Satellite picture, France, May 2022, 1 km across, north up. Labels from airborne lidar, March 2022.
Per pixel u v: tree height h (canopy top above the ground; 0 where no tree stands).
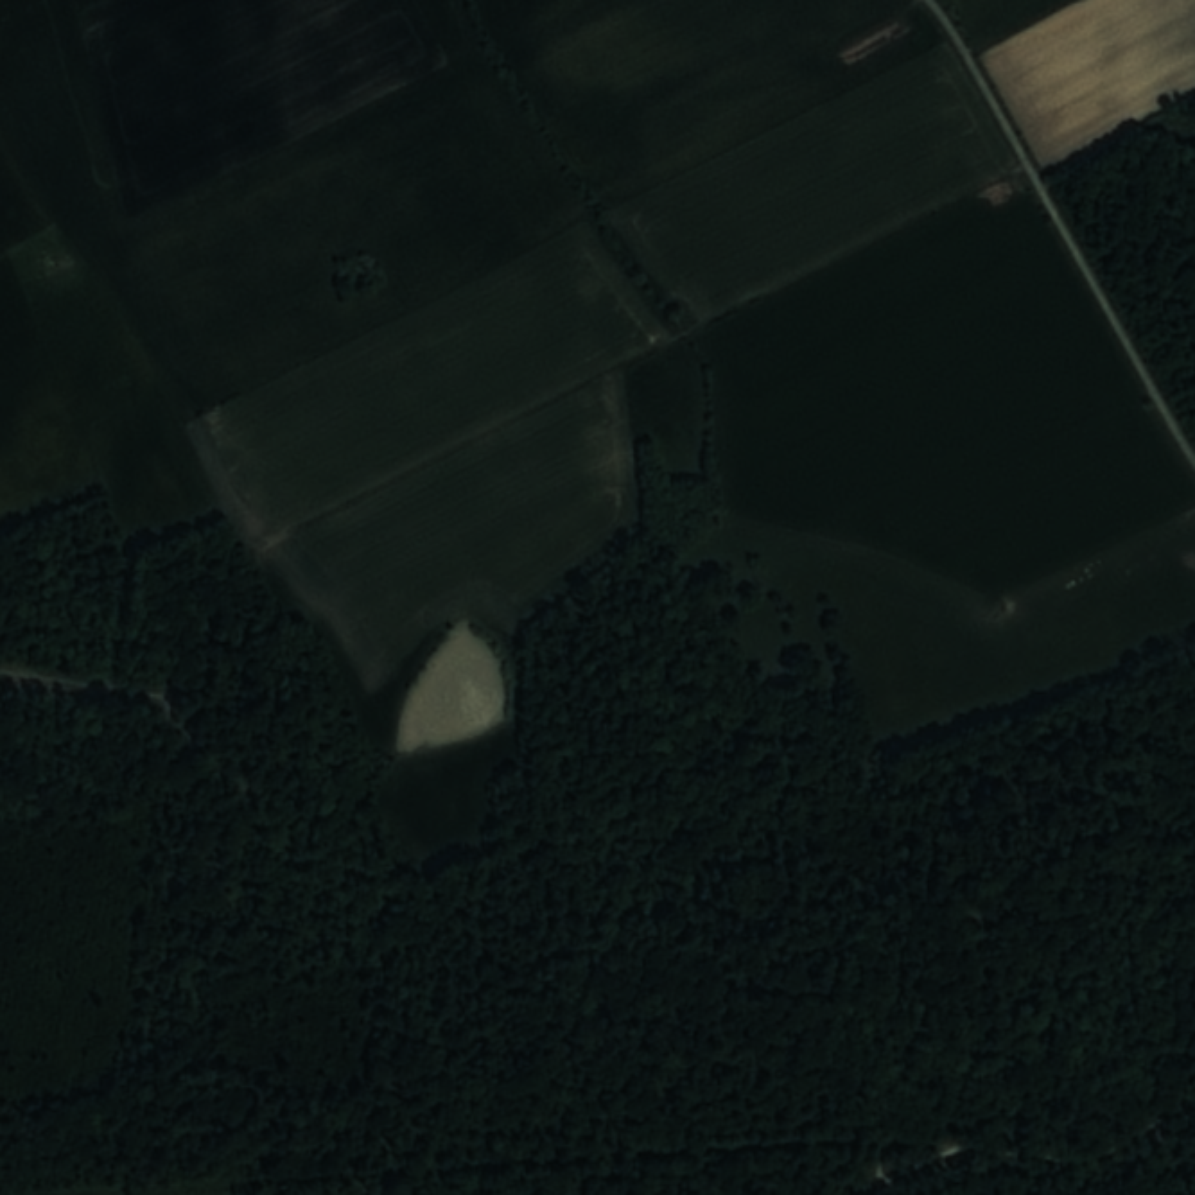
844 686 15
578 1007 23
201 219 0
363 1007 20
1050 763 27
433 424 0
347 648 0
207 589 27
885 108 0
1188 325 22
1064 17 0
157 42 0
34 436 0
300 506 0
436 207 0
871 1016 17
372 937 25
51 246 0
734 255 0
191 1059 7
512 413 0
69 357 0
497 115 0
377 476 0
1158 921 23
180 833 22
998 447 0
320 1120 23
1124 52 0
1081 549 0
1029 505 0
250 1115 24
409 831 0
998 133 0
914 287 0
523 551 0
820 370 0
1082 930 23
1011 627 0
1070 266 0
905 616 0
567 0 0
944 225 0
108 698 24
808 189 0
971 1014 20
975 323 0
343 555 0
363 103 0
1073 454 0
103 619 25
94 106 0
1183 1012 23
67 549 18
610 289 0
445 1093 18
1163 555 0
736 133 0
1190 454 0
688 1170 22
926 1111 20
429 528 0
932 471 0
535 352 0
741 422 0
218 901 25
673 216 0
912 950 25
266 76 0
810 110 0
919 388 0
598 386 0
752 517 0
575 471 0
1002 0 0
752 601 18
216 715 22
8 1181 21
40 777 23
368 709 0
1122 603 0
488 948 12
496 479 0
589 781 21
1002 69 0
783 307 0
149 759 25
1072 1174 19
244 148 0
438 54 0
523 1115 15
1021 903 24
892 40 0
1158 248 27
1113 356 0
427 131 0
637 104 0
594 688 23
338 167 0
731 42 0
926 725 0
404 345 0
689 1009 22
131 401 0
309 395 0
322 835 24
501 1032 17
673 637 22
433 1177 10
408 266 0
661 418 0
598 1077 18
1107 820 29
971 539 0
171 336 0
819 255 0
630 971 23
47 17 0
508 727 0
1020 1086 24
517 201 0
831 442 0
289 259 0
